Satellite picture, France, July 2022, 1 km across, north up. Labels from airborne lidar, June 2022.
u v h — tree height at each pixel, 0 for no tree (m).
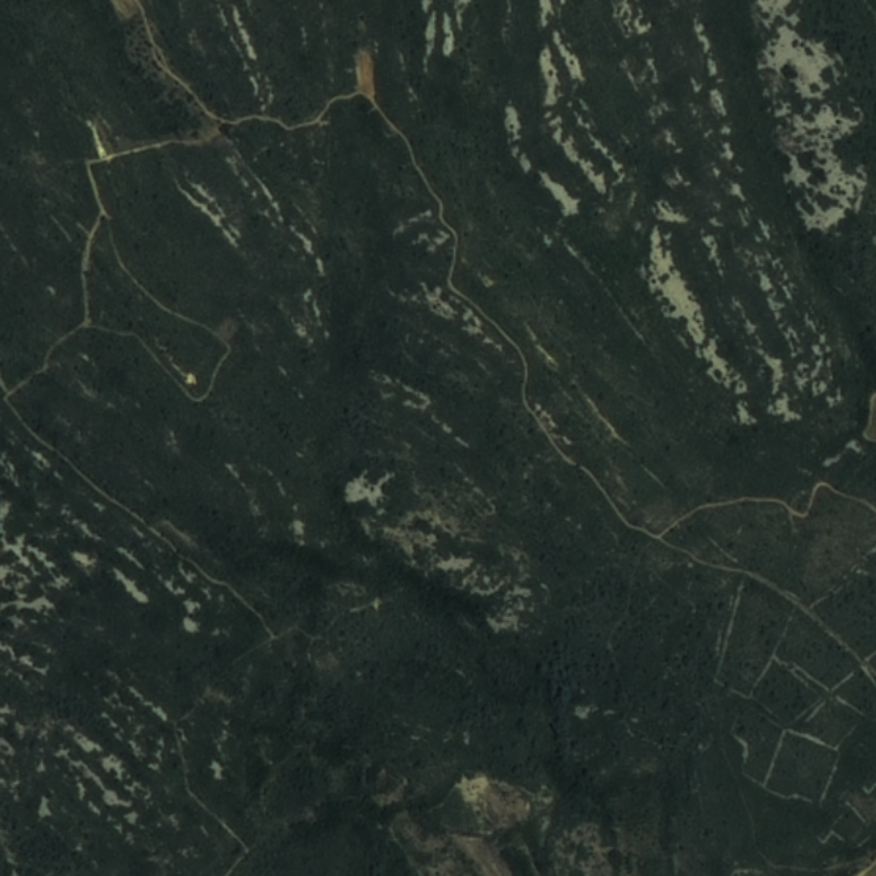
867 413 8
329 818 8
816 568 0
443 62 0
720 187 0
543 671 13
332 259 8
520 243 0
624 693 10
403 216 0
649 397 0
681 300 0
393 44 0
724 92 0
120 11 0
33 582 0
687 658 10
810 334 0
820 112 0
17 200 0
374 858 8
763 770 0
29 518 0
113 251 0
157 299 0
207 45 0
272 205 0
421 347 0
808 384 0
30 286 0
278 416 9
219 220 0
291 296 0
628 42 0
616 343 0
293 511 0
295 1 0
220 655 6
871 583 8
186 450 0
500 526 0
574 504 0
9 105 0
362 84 0
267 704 8
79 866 8
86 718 8
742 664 6
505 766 7
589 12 0
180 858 0
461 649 6
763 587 7
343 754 10
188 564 7
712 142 0
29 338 0
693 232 0
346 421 7
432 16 0
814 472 0
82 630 0
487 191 0
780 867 0
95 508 0
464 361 0
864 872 0
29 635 0
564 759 14
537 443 0
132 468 0
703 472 0
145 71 6
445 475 8
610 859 7
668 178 0
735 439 6
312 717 7
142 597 0
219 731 0
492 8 0
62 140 0
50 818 0
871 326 7
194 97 7
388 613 6
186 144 0
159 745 0
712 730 0
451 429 0
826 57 0
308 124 0
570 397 0
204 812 0
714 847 0
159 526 0
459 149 8
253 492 0
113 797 0
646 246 0
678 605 7
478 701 10
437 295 0
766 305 0
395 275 0
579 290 0
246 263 0
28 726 0
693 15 0
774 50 0
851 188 0
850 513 0
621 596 8
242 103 0
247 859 7
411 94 0
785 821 0
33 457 0
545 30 0
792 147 0
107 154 0
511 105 0
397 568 8
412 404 0
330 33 0
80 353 0
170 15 0
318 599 8
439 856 0
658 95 0
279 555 7
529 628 0
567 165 0
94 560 0
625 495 0
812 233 7
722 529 0
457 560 0
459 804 0
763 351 0
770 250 0
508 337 0
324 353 0
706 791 0
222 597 0
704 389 0
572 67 0
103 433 0
